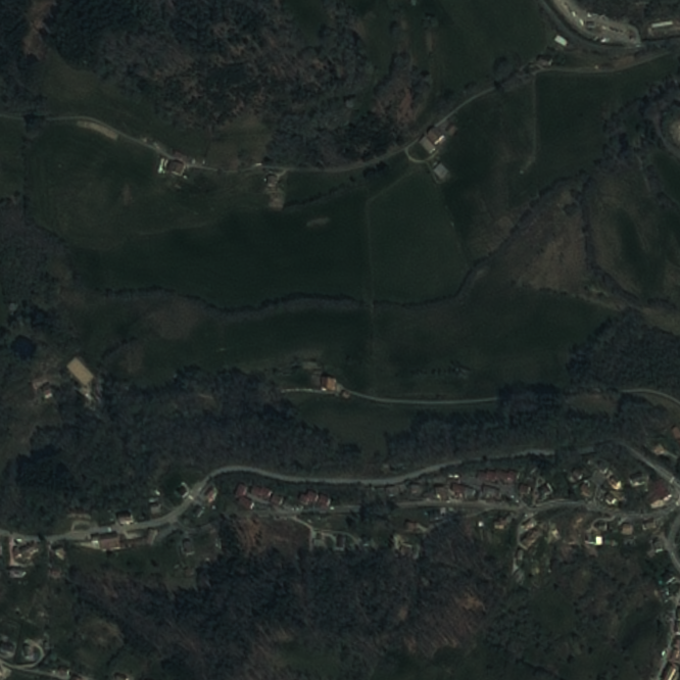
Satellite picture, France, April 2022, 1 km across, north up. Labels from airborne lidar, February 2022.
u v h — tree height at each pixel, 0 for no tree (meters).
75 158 0
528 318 0
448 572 21
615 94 0
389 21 0
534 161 0
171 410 27
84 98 0
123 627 20
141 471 19
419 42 0
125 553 0
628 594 6
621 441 21
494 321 0
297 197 0
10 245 14
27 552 0
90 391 0
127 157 0
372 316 0
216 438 26
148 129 0
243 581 24
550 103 0
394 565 24
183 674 21
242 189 0
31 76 30
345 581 21
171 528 0
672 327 0
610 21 0
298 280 0
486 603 25
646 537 0
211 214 0
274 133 0
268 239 0
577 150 0
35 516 27
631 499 13
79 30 16
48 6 34
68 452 21
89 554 0
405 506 0
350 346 0
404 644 21
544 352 0
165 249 0
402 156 0
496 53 0
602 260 0
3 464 0
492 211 0
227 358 0
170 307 0
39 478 32
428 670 0
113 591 23
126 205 0
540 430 30
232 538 11
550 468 22
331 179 0
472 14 0
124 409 26
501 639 19
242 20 20
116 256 0
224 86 8
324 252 0
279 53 22
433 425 25
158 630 21
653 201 0
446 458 22
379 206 0
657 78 0
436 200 0
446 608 22
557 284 0
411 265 0
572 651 0
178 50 19
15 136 0
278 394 16
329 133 21
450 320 0
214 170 0
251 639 24
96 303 0
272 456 26
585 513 12
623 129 16
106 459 10
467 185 0
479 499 0
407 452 24
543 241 0
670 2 16
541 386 0
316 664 0
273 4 20
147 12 16
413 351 0
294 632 26
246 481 9
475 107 0
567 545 0
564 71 0
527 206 0
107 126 0
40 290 12
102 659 0
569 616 0
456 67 0
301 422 21
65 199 0
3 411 16
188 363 0
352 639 23
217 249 0
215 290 0
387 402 0
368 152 8
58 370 0
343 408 0
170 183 0
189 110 7
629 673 0
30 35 30
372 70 25
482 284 0
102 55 7
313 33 0
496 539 0
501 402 0
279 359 0
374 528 20
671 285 0
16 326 25
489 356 0
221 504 0
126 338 0
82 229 0
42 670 9
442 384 0
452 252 0
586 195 13
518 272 0
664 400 0
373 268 0
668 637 0
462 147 0
